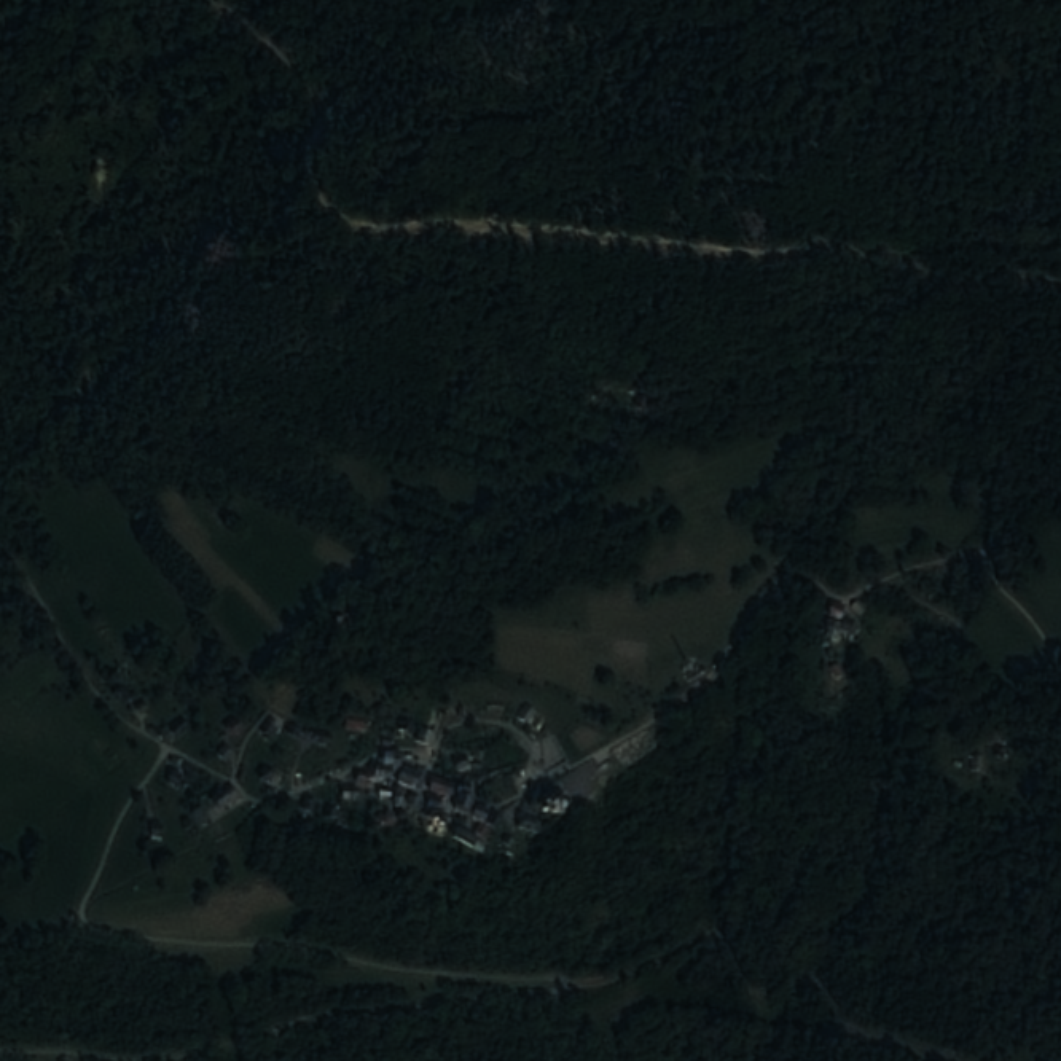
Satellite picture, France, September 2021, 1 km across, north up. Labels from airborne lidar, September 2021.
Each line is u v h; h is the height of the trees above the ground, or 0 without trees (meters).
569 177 23
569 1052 18
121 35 26
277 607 0
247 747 0
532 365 25
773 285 21
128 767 0
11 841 0
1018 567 17
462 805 0
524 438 25
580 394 19
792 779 26
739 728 30
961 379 26
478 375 23
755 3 25
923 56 23
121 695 0
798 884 15
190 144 20
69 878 0
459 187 29
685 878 23
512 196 32
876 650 0
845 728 9
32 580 0
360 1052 30
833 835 13
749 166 31
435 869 10
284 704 0
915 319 29
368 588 21
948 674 26
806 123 26
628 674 0
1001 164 23
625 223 26
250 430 19
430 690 8
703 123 12
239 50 23
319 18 20
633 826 22
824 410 26
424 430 25
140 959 19
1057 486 28
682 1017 24
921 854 25
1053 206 27
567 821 15
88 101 16
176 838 0
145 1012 18
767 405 24
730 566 0
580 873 13
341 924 24
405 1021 25
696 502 0
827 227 24
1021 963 20
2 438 19
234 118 20
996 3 28
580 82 21
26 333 27
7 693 0
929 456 23
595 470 21
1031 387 29
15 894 0
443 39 28
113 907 0
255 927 0
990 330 21
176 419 22
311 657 18
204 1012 23
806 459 31
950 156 24
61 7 9
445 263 27
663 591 5
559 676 0
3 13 9
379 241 20
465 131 22
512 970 27
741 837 21
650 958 18
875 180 26
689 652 0
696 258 25
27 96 19
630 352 27
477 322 26
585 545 24
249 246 29
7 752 0
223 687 15
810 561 28
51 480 21
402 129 22
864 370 10
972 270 28
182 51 6
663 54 25
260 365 19
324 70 24
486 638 19
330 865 25
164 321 34
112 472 22
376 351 23
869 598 13
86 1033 11
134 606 0
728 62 26
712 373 23
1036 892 25
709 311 22
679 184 29
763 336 24
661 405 17
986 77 31
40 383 29
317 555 0
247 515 0
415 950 6
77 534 0
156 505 18
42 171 19
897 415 20
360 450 22
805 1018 13
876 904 30
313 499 20
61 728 0
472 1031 19
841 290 14
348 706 17
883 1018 23
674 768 13
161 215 9
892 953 22
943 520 0
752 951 18
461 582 27
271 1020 26
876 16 20
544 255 25
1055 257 27
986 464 20
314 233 23
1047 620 0
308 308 15
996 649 0
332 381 24
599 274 24
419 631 13
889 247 27
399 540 20
